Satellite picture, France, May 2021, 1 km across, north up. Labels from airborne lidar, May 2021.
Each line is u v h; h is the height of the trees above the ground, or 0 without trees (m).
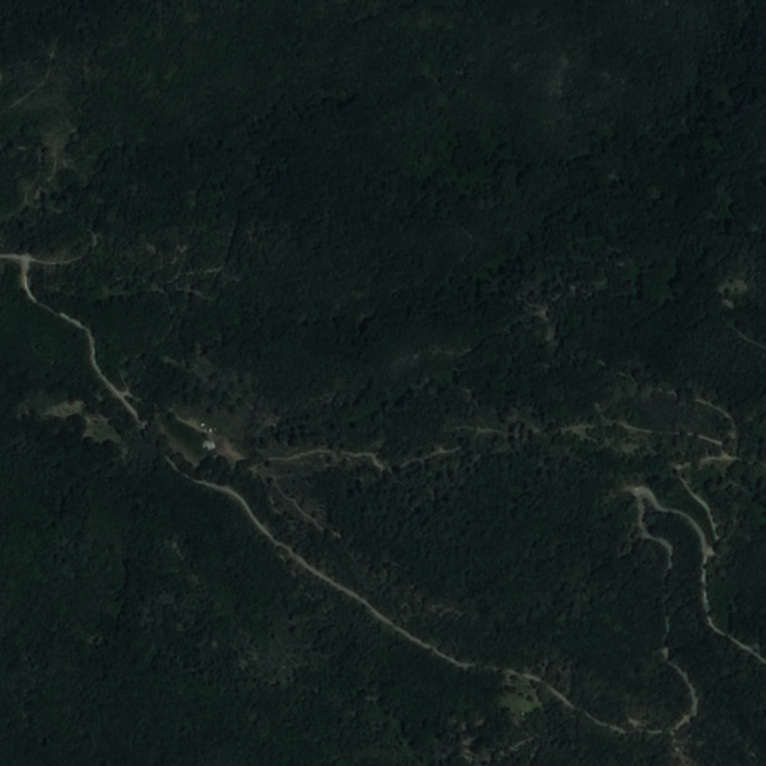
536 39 8
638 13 11
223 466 16
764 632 19
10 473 13
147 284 8
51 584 13
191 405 7
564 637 12
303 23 9
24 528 18
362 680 13
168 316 10
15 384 9
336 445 14
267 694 11
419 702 12
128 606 22
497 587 13
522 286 5
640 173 20
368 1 14
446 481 16
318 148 16
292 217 15
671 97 12
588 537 14
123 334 7
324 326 19
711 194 8
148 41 9
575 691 9
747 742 9
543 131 6
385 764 15
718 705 11
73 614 7
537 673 11
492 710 16
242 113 12
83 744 14
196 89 9
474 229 10
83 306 15
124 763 11
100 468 11
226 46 11
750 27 11
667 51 6
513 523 14
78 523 12
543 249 17
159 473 12
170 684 10
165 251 14
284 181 19
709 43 9
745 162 10
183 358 11
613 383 16
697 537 8
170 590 14
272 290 7
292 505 0
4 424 15
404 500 13
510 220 13
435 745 13
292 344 11
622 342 15
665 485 12
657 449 7
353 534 10
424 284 17
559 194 12
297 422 10
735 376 11
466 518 13
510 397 18
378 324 20
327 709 9
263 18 10
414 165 7
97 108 7
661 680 11
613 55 18
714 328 7
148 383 11
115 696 13
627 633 7
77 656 10
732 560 8
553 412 17
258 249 10
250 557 9
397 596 7
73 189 11
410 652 13
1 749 8
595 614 11
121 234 8
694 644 16
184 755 14
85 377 8
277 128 19
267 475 0
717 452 14
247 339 18
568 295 11
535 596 10
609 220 10
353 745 12
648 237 14
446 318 15
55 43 8
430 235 11
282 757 14
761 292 7
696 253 23
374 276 10
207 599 6
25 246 10
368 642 9
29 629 14
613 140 18
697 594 10
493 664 12
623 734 7
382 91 18
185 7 10
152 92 11
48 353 10
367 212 17
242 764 10
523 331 14
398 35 11
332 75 14
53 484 18
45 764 11
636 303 22
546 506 13
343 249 12
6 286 8
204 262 7
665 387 11
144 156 16
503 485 11
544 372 17
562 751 11
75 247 6
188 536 6
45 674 10
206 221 11
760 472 14
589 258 8
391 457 13
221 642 6
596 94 8
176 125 17
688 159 16
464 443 19
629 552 17
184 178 17
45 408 0
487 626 12
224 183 12
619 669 11
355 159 15
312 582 10
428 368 8
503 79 15
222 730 11
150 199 16
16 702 11
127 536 12
